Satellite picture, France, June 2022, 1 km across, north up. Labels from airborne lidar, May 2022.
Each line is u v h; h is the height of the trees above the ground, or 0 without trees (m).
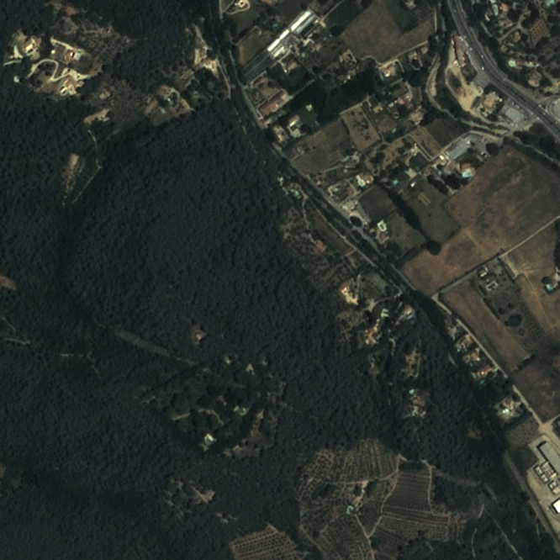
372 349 11
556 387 0
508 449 11
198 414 13
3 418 19
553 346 0
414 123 6
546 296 0
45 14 22
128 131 7
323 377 22
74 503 14
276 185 23
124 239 17
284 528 17
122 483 14
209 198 24
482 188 0
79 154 17
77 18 8
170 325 24
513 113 0
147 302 13
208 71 7
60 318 19
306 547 8
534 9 10
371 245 14
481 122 6
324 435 22
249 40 0
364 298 8
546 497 0
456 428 26
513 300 0
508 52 6
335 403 18
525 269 0
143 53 22
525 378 0
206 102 19
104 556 16
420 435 17
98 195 18
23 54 0
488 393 18
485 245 0
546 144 16
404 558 14
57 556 17
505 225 0
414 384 12
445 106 10
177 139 25
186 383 18
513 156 0
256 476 17
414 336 22
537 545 15
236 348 19
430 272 0
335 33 15
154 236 21
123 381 12
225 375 20
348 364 20
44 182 19
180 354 21
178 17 25
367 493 11
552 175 0
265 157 17
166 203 22
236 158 22
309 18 0
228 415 15
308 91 11
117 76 12
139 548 16
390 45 0
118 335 10
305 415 6
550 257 0
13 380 20
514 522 14
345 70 6
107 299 22
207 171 23
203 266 22
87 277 13
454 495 19
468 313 0
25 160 17
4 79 18
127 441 18
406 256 10
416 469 6
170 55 19
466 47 0
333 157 0
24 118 19
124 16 7
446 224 0
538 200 0
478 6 12
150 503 9
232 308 22
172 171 16
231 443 12
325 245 11
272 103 0
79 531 21
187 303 21
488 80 0
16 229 20
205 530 20
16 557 17
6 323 14
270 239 25
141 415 19
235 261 24
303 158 0
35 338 11
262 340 24
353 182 10
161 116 0
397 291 10
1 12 20
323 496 13
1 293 20
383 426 19
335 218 9
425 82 19
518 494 8
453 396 23
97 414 15
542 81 11
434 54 15
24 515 22
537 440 0
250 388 21
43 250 11
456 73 0
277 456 19
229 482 13
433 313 16
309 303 16
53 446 11
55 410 14
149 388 15
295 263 25
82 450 17
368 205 0
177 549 20
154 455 10
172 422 11
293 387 20
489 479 9
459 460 23
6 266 14
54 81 0
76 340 14
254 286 23
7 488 8
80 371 13
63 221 18
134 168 17
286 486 20
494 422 18
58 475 10
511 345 0
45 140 21
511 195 0
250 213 24
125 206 21
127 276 15
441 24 10
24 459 13
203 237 25
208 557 19
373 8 0
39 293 11
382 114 0
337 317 10
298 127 0
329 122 7
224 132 13
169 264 21
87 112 11
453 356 8
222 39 13
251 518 21
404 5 9
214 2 10
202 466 15
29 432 19
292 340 17
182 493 22
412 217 19
